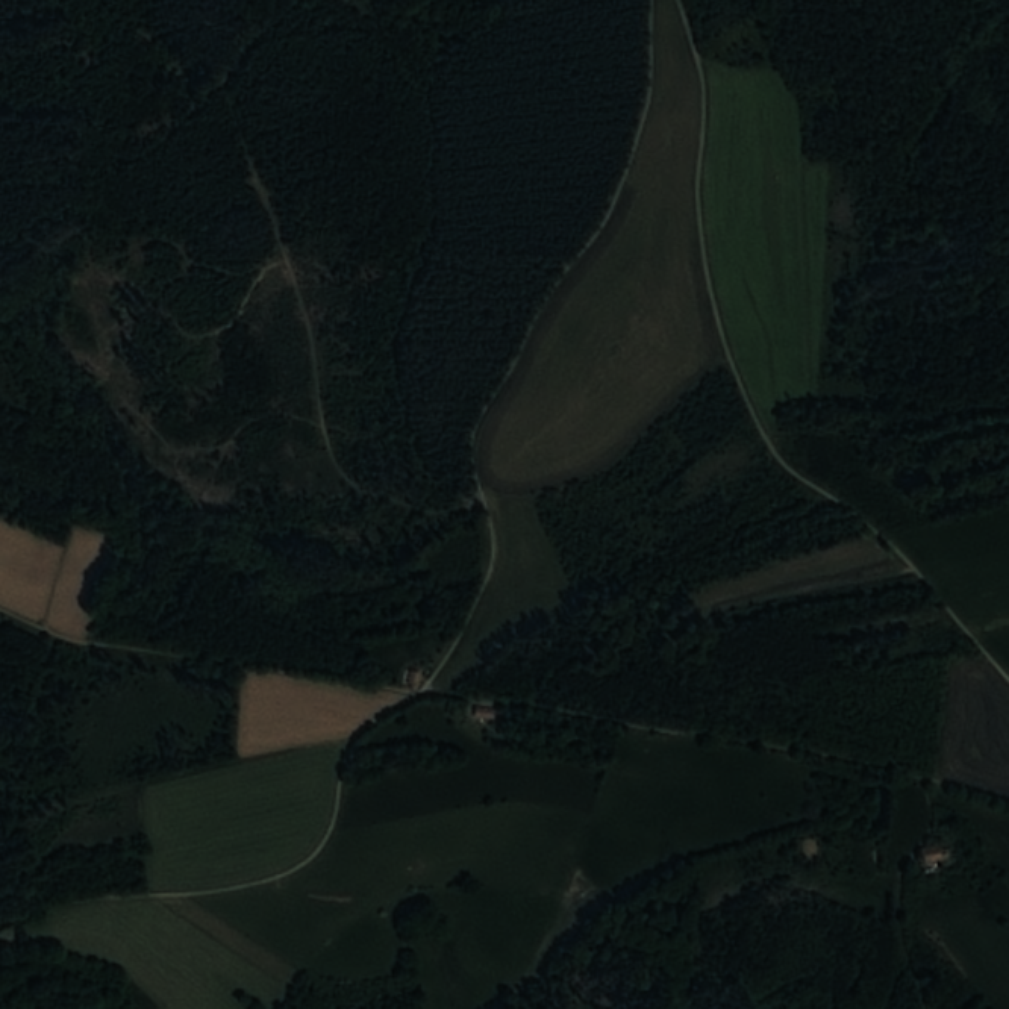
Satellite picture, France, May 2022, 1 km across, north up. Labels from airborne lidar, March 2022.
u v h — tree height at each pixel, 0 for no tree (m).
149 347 7
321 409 0
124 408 0
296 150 12
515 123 16
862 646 19
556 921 0
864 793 7
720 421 11
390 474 30
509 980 0
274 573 27
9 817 21
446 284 22
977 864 8
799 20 18
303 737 0
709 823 0
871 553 0
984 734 0
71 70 10
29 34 33
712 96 0
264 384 12
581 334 0
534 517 0
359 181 11
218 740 10
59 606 0
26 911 22
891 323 15
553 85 16
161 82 30
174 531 23
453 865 0
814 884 0
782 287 0
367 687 17
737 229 0
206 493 0
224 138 11
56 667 12
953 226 24
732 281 0
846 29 17
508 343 21
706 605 0
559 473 0
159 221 14
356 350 8
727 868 0
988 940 0
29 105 8
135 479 26
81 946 0
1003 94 16
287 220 11
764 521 6
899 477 0
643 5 14
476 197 16
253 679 0
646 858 0
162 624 16
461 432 21
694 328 0
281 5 23
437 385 18
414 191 13
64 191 22
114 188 13
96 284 0
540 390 0
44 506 14
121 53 12
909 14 17
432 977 0
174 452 0
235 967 0
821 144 15
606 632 30
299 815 0
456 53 17
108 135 10
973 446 30
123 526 29
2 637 17
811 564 0
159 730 0
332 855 0
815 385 0
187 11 22
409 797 0
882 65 17
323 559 37
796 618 15
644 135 0
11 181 15
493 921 0
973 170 11
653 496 11
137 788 0
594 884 0
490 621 0
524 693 13
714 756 0
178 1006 0
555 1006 30
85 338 0
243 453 6
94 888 9
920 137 7
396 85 12
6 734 21
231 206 12
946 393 22
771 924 15
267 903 0
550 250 20
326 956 0
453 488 14
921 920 0
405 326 17
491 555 0
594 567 9
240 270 9
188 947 0
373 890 0
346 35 15
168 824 0
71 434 17
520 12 15
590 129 15
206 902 0
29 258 29
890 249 22
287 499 7
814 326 0
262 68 10
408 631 10
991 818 0
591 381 0
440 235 16
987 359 21
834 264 0
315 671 15
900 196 11
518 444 0
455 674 0
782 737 11
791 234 0
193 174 12
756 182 0
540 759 13
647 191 0
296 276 0
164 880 0
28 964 16
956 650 9
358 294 6
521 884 0
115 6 11
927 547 0
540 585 0
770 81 0
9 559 0
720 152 0
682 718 20
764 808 0
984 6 17
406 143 13
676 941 27
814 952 15
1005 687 0
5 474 8
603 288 0
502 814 0
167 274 10
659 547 8
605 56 16
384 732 0
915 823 0
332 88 12
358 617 20
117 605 32
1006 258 24
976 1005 15
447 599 9
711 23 9
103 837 0
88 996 26
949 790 14
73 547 0
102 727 0
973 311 23
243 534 22
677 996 21
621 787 0
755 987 12
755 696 15
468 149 17
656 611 9
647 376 0
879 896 0
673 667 9
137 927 0
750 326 0
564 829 0
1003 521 0
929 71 16
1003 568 0
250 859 0
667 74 0
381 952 0
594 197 14
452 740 0
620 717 21
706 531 11
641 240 0
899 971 6
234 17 27
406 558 29
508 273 21
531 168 15
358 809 0
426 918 28
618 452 0
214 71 24
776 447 0
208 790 0
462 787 0
